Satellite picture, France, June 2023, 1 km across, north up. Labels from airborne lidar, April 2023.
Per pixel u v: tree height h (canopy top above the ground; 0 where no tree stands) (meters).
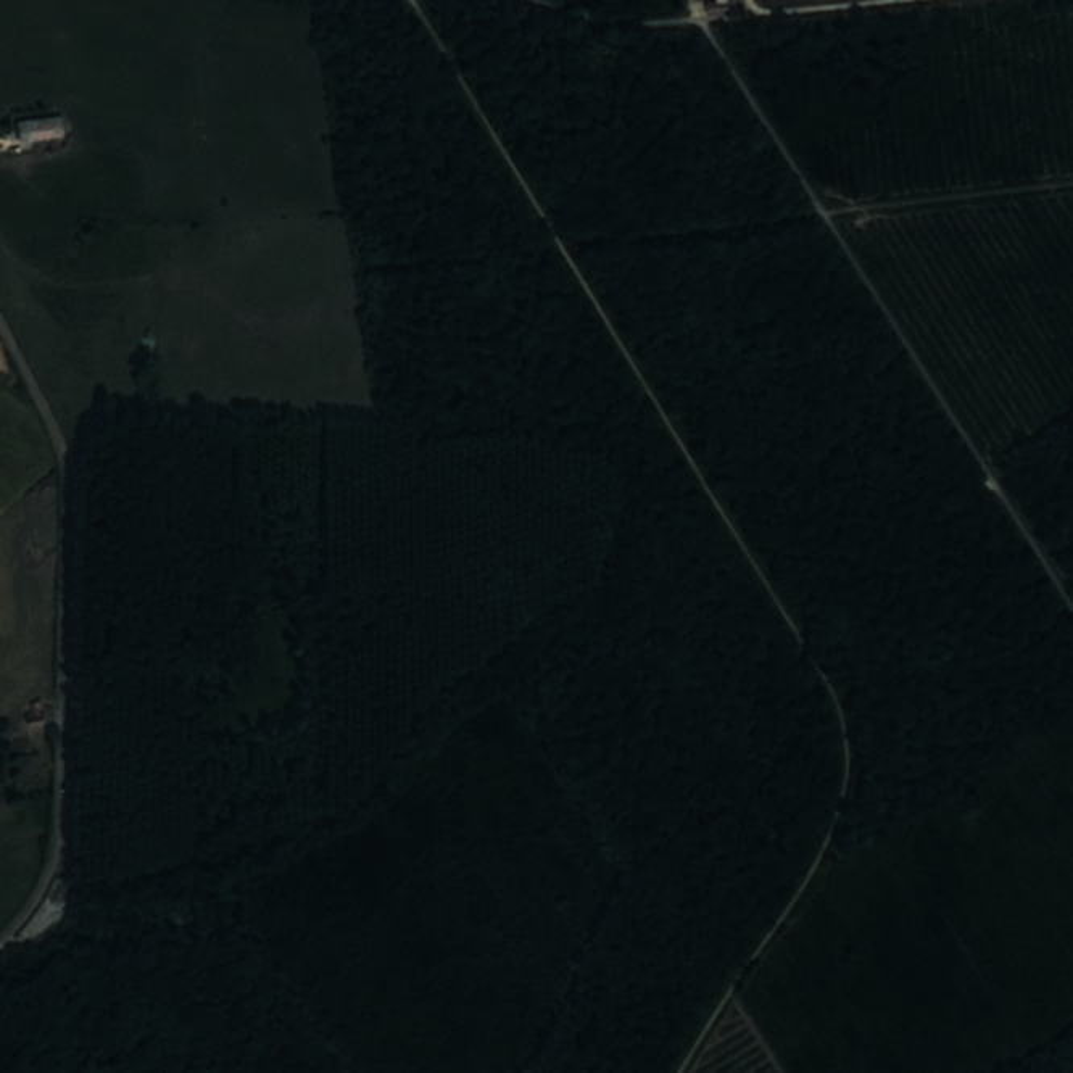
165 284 0
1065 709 20
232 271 0
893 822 21
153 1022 21
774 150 17
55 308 0
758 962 7
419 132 24
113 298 0
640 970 19
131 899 23
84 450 21
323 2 17
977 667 23
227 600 26
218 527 26
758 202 21
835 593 20
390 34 18
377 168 20
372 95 16
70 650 23
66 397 0
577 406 23
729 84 22
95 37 0
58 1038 20
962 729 22
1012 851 0
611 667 20
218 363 0
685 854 22
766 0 0
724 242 18
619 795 20
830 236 15
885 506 19
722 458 22
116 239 0
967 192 0
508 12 23
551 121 15
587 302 13
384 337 19
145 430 26
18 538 0
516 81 19
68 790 13
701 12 0
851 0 0
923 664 21
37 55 0
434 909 7
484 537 28
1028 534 0
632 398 21
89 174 0
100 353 0
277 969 18
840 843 21
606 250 22
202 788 7
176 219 0
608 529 17
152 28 0
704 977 21
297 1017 21
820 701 22
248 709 0
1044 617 20
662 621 20
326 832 20
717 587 21
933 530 20
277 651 0
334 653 31
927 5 16
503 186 21
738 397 19
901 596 23
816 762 27
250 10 0
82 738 27
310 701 8
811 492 21
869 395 19
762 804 23
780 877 21
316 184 0
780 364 18
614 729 28
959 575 23
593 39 23
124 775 28
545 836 6
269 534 24
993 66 6
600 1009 20
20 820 0
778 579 18
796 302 22
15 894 0
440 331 26
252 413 16
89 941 24
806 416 21
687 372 19
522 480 28
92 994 22
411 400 18
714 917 19
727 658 20
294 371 0
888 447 20
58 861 0
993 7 6
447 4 22
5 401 0
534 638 21
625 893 20
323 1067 22
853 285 20
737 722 21
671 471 22
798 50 22
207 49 0
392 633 32
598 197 21
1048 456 18
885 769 21
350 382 0
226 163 0
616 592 22
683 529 21
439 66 22
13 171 0
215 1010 21
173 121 0
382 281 18
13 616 0
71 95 0
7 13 0
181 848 30
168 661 31
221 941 28
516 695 24
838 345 19
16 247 0
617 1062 19
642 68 27
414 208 23
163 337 0
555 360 22
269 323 0
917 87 7
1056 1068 20
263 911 8
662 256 21
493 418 21
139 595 25
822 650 23
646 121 25
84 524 29
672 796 22
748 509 21
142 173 0
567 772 18
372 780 15
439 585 32
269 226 0
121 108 0
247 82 0
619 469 19
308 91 0
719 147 23
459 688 22
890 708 22
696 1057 0
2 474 0
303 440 6
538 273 24
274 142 0
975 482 19
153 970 26
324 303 0
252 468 6
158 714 32
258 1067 22
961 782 21
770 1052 0
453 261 22
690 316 16
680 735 24
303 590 6
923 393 16
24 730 0
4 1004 23
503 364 20
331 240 0
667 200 18
